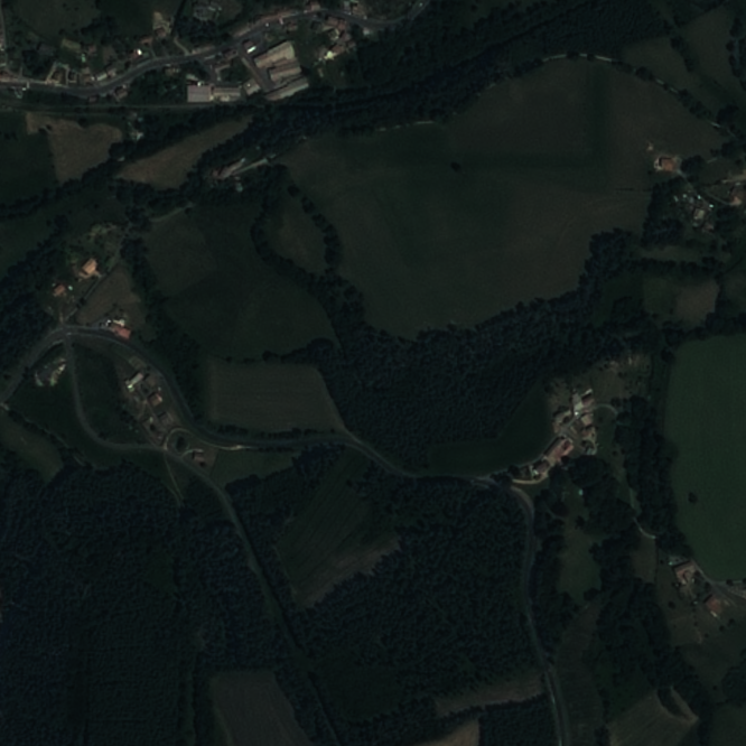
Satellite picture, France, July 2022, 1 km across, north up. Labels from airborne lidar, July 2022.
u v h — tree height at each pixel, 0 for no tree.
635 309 8
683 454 0
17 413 13
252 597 31
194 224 0
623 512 26
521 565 23
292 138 20
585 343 25
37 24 0
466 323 0
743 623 0
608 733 19
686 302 0
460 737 0
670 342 16
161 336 7
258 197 18
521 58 0
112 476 23
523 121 0
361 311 22
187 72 9
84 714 25
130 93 7
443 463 0
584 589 0
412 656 19
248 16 8
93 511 23
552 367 20
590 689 0
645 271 26
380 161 0
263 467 0
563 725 0
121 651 20
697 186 12
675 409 0
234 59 7
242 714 0
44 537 21
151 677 16
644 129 0
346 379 21
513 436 0
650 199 0
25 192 0
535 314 25
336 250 20
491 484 0
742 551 0
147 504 15
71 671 30
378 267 0
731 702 6
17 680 32
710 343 0
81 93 0
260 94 10
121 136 0
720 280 12
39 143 0
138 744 18
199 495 7
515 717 27
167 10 0
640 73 11
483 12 0
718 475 0
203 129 16
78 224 0
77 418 0
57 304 0
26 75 0
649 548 0
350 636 21
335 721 26
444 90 34
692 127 0
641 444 20
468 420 21
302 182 0
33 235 0
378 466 15
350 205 0
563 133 0
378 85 18
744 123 0
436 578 17
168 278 0
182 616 13
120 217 0
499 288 0
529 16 15
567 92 0
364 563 0
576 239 0
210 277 0
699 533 0
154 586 7
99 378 0
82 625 22
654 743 0
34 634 29
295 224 0
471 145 0
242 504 21
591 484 25
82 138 0
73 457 14
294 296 0
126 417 10
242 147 16
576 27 11
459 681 19
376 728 17
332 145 0
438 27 16
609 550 26
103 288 0
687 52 17
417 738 10
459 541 26
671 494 15
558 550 26
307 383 0
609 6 10
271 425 0
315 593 0
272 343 0
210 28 20
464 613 24
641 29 9
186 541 22
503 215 0
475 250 0
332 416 0
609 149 0
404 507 7
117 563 16
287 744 0
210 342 0
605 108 0
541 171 0
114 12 0
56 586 39
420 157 0
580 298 20
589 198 0
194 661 10
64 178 0
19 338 31
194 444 0
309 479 9
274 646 26
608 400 0
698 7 0
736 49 13
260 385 0
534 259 0
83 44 10
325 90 15
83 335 0
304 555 0
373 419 23
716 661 0
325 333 0
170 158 0
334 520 0
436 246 0
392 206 0
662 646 20
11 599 11
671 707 15
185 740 18
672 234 21
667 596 0
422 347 21
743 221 7
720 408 0
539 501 16
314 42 0
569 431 0
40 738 28
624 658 18
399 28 9
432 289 0
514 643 27
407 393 21
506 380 16
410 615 23
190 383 11
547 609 23
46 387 0
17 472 18
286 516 23
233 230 0
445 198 0
